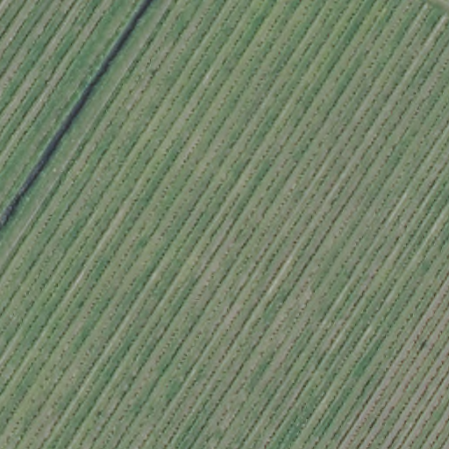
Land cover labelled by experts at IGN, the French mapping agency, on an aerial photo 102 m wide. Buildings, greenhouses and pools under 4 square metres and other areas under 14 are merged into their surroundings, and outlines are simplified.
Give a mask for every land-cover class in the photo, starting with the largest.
<instances>
[{"label":"vineyard","instance_id":"1","mask_svg":"<svg viewBox=\"0 0 449 449\"><path fill-rule=\"evenodd\" d=\"M142 0H0V214L12 202L21 184L25 182L26 175L30 174L33 165L44 153L49 140L53 139L54 132L60 128L63 119L67 118L68 112L79 100L88 82L95 77L103 58L119 39L126 23L132 18L133 12L137 11ZM40 210H44L46 214L40 219L37 228H33V233L26 242L18 240V244L0 268V449H449V0H179L156 40L151 37L146 40L125 77L119 81L118 88L114 89V93L103 105L95 123L91 125L74 156L68 161L67 167L61 172L54 188L40 205Z\"/></svg>","mask_w":449,"mask_h":449},{"label":"herbaceous vegetation","instance_id":"2","mask_svg":"<svg viewBox=\"0 0 449 449\"><path fill-rule=\"evenodd\" d=\"M179 0H153L121 47L118 56L110 63L102 81L96 84L88 102L84 103L74 123L54 149L46 167L42 168L32 188L26 191L11 219L0 232V268L18 244V240L26 242L33 233V228H37L40 219L46 214L44 210H40V205L54 188L61 172L67 167L68 161L74 156L91 125L95 123L103 105L114 93V89L118 88L119 81L125 77L146 40L151 37L156 40Z\"/></svg>","mask_w":449,"mask_h":449},{"label":"water","instance_id":"3","mask_svg":"<svg viewBox=\"0 0 449 449\"><path fill-rule=\"evenodd\" d=\"M153 0H142L137 11L133 12L132 18L126 23L119 39L103 58L95 77L88 82L79 100L68 112L67 118L63 119L60 128L54 132L53 139L49 140L44 153L33 165L30 174L26 175L25 182L21 184L12 202L0 214V232L11 219L26 191L32 188L42 168L46 167L54 149L74 123L84 103L88 102L96 84L102 81L110 63L118 56L121 47Z\"/></svg>","mask_w":449,"mask_h":449}]
</instances>
